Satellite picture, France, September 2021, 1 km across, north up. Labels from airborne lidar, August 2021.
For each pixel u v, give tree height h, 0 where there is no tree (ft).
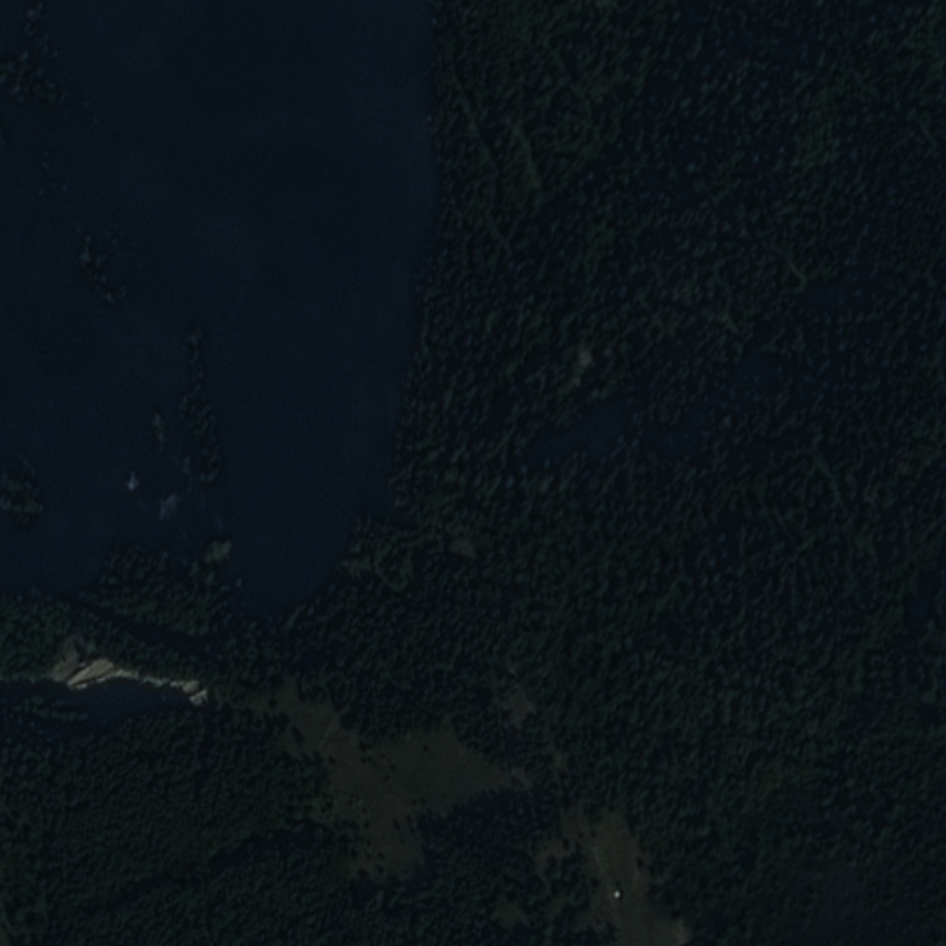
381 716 53
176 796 95
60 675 0
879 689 27
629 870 0
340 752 0
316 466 0
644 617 36
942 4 92
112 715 0
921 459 93
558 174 84
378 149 0
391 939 77
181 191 29
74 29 0
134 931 81
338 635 79
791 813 24
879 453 85
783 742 64
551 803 40
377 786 0
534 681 32
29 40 57
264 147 49
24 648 45
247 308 0
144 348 0
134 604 83
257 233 34
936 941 25
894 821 24
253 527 0
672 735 30
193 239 0
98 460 0
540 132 88
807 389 51
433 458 66
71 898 85
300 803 67
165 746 88
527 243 60
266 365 0
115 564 64
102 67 26
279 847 49
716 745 68
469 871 65
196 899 81
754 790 71
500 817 45
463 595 62
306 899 96
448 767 0
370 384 0
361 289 0
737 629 68
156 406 0
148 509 0
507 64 73
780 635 19
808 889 18
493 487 71
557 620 51
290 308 29
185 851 60
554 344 78
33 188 68
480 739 61
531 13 66
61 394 0
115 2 0
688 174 100
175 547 0
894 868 30
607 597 20
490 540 48
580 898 39
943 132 77
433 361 98
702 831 68
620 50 107
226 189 27
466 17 96
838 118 55
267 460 0
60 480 0
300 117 0
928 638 86
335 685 69
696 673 84
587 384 29
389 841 0
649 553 86
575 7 59
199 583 53
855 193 99
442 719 61
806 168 63
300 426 0
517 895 47
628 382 23
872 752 29
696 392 88
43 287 0
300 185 35
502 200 73
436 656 50
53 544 0
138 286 37
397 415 31
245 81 42
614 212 44
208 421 77
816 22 78
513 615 49
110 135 31
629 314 85
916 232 66
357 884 0
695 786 35
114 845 79
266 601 0
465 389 100
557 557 28
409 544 53
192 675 52
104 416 0
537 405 87
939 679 32
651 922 0
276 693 54
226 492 0
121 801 90
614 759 57
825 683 80
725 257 70
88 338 30
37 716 43
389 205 0
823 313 45
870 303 93
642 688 71
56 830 102
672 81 98
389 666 70
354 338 0
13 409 0
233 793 76
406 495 31
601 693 32
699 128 55
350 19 0
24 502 43
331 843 43
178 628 66
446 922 52
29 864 34
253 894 83
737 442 61
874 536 77
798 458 90
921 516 72
